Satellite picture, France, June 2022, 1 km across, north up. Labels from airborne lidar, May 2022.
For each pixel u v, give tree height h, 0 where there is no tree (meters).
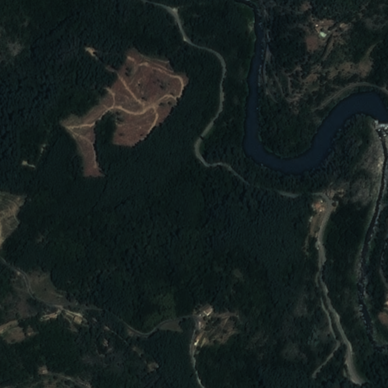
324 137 0
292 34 8
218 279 13
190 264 15
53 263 19
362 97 0
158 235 14
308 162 0
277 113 8
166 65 0
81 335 16
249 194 35
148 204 25
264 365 15
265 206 33
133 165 28
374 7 8
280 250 37
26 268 18
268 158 0
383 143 0
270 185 20
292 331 20
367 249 0
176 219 6
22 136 20
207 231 27
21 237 10
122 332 25
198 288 12
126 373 11
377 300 14
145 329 17
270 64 7
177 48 9
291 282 28
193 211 7
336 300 12
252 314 9
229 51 9
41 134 9
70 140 15
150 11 17
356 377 0
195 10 10
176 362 22
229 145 30
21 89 19
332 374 31
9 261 14
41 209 16
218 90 18
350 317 11
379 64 22
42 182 15
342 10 21
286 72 11
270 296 26
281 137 18
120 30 23
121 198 29
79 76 19
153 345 20
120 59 32
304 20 9
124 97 0
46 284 0
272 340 8
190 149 38
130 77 24
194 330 14
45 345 16
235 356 20
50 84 18
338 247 11
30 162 18
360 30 15
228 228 23
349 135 15
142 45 27
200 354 14
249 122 0
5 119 38
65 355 13
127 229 17
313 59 22
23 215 15
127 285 26
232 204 24
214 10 13
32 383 8
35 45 20
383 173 0
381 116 0
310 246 10
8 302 0
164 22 24
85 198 21
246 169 11
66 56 22
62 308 0
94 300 24
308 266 16
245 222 31
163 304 17
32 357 7
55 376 11
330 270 28
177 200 6
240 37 21
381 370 22
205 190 14
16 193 33
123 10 35
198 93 24
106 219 16
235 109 14
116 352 7
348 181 12
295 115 6
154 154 33
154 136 30
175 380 21
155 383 8
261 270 22
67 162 14
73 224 17
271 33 15
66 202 19
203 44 27
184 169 19
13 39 8
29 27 16
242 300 10
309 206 28
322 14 22
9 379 8
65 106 21
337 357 21
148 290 15
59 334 19
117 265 23
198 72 15
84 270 22
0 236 0
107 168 27
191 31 9
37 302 13
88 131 0
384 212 14
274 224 36
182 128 29
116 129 22
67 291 12
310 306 10
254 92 0
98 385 11
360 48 16
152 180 27
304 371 25
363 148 16
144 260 8
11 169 29
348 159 19
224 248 39
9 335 0
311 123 7
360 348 8
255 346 8
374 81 16
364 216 13
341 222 23
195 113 31
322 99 9
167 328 0
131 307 28
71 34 19
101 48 28
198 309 11
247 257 20
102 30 30
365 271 0
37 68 9
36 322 14
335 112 0
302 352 11
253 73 0
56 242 20
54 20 13
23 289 0
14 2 18
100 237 15
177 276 18
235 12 28
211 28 24
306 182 31
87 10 21
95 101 21
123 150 34
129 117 0
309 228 7
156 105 0
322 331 8
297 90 12
